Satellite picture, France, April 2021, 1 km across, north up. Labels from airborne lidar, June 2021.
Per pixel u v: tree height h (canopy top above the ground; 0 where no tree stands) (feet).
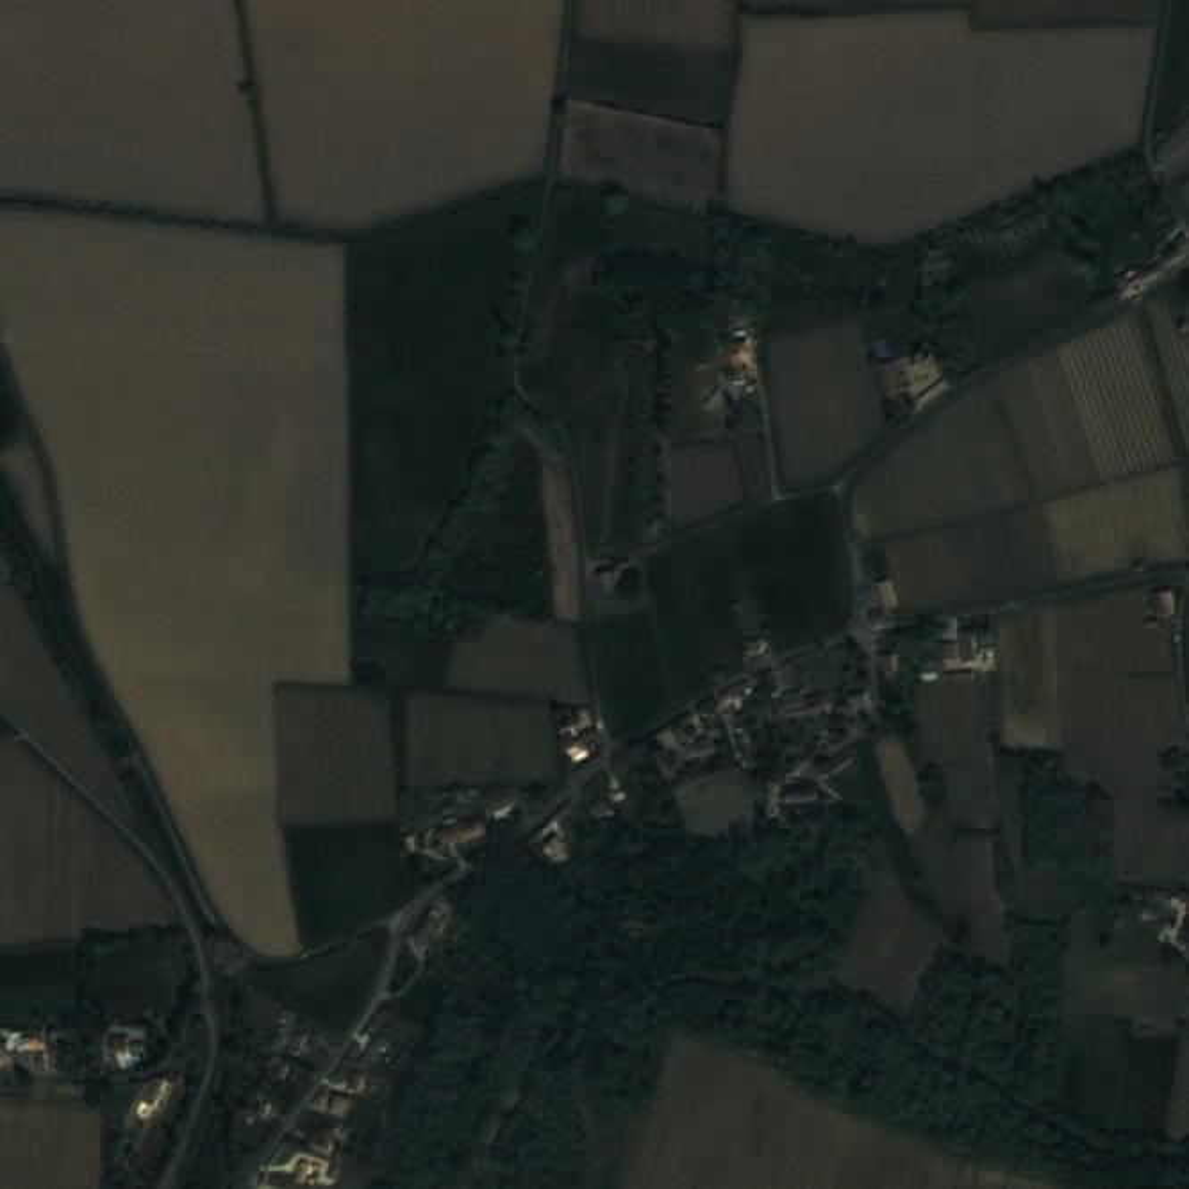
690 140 0
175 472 0
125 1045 0
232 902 0
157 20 0
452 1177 60
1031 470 0
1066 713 0
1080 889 20
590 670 0
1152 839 0
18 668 0
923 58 0
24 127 0
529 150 0
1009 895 57
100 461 0
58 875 0
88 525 0
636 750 32
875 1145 0
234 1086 44
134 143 0
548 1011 61
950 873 0
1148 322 0
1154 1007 0
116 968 0
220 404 0
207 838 0
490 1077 53
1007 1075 53
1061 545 0
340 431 0
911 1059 73
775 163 0
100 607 0
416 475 0
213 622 0
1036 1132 62
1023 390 0
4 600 0
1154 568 0
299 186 0
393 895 0
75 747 0
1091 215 31
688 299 92
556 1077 54
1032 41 0
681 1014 24
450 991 30
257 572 0
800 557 0
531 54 0
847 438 0
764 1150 0
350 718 0
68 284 0
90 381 0
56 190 0
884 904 0
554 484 0
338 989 0
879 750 0
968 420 0
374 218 0
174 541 0
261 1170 0
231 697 0
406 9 0
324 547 0
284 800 0
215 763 0
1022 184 0
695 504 0
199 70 0
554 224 0
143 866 0
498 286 0
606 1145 0
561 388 0
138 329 0
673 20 0
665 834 27
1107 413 0
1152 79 0
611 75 0
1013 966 19
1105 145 0
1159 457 0
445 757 0
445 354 0
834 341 0
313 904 0
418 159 0
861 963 0
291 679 0
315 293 0
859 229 0
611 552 0
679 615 0
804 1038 82
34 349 0
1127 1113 0
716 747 28
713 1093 0
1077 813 48
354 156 0
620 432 0
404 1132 53
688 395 0
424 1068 59
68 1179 0
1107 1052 0
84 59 0
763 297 63
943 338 35
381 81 0
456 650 0
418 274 0
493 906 43
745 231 63
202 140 0
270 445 0
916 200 0
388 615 57
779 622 0
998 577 0
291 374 0
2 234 0
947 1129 32
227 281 0
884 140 0
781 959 59
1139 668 0
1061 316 0
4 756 0
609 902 44
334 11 0
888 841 42
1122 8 0
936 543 0
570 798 0
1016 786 0
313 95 0
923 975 0
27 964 0
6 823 0
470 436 0
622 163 0
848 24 0
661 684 0
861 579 0
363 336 0
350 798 0
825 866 51
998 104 0
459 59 0
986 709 0
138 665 0
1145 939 0
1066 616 0
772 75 0
